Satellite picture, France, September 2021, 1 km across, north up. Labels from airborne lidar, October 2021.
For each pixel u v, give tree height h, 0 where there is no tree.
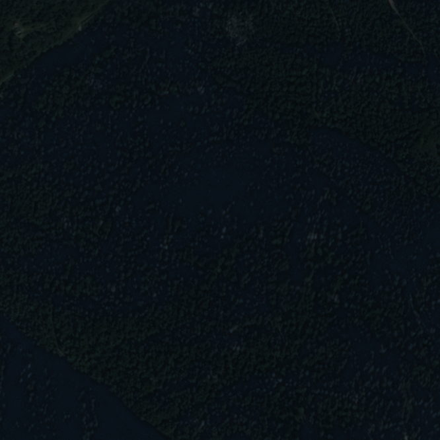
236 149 8
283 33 25
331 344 16
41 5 29
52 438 24
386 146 21
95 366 16
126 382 26
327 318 13
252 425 27
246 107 26
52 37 19
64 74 24
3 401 11
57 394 33
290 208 27
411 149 25
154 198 17
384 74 27
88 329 24
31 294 24
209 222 23
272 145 9
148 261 12
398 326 16
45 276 27
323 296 18
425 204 24
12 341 6
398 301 36
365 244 19
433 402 9
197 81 20
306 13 26
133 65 20
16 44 21
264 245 18
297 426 21
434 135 13
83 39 9
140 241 24
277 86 10
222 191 24
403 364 8
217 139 15
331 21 20
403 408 30
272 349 29
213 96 36
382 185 22
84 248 16
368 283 13
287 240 18
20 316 19
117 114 9
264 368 14
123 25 21
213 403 23
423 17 12
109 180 19
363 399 20
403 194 19
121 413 15
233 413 26
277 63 11
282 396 13
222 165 27
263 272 25
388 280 24
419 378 11
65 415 17
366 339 14
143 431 9
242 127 17
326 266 9
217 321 23
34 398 23
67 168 30
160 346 28
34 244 32
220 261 26
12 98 24
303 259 26
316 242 7
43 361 19
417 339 9
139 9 31
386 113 30
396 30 24
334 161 36
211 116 17
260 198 26
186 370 25
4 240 26
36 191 25
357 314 13
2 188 33
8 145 30
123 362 30
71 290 21
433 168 9
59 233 17
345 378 9
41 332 22
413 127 25
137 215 26
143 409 33
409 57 19
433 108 10
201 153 19
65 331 18
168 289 31
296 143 14
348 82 33
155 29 19
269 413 23
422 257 10
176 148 26
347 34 23
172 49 28
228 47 31
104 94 22
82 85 21
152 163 18
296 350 11
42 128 24
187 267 21
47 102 33
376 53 18
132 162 27
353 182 29
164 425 26
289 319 14
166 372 23
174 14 20
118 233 10
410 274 31
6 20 27
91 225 18
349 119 15
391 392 11
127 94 24
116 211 28
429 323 9
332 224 35
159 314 24
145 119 19
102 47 22
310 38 30
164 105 13
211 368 24
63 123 11
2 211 31
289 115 21
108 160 25
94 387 36
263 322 32
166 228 28
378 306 16
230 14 25
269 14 26
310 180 10
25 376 16
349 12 33
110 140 24
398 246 29
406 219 28
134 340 23
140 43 11
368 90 13
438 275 14
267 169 14
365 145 19
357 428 8
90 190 25
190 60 27
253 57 20
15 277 26
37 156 24
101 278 22
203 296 18
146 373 24
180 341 26
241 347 33
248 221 14
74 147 25
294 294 15
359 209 10
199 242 20
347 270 8
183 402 28
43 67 12
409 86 27
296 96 11
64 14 14
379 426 35
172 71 27
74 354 22
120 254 14
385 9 17
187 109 39
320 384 20
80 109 9
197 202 11
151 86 27
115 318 29
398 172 20
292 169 15
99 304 11
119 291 25
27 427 31
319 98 10
